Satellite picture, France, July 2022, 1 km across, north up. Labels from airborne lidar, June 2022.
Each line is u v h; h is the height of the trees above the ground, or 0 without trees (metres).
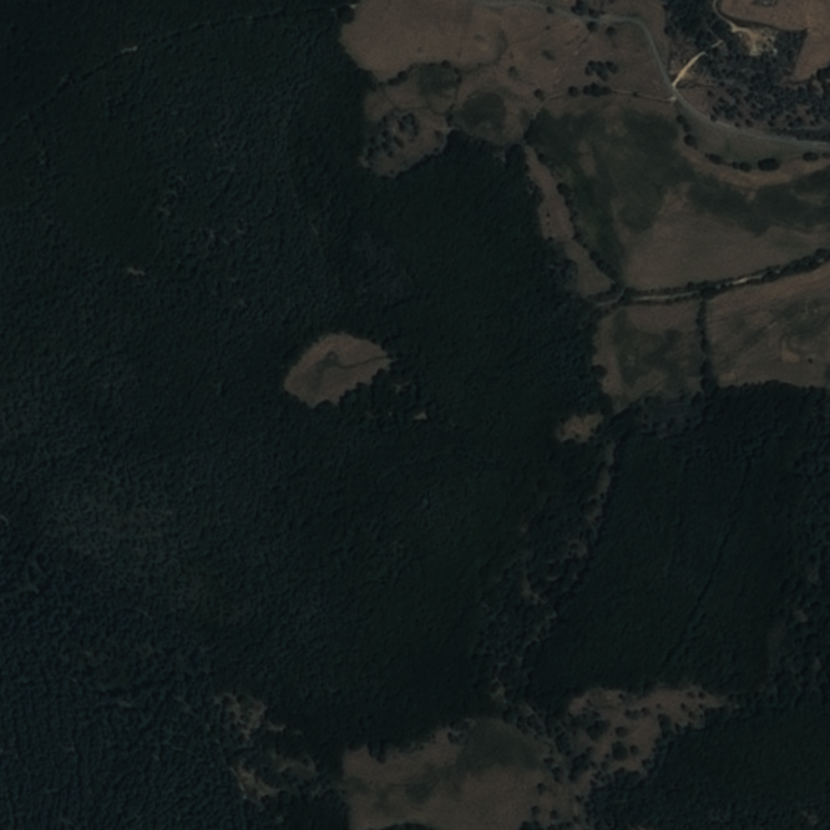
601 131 0
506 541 19
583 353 23
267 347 16
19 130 16
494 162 17
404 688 15
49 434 14
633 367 0
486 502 15
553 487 6
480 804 0
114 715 22
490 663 14
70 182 10
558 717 14
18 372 12
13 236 14
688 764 17
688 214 0
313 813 15
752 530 21
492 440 22
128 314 16
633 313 0
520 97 0
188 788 23
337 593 18
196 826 19
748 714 16
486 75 0
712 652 16
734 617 21
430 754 0
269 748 11
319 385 0
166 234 14
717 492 12
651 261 0
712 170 0
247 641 15
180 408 18
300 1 18
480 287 16
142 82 15
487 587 13
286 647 11
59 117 16
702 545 12
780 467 25
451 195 16
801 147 0
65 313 14
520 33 0
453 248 13
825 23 0
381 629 15
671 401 0
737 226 0
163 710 18
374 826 0
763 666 17
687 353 0
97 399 14
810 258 7
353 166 18
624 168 0
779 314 0
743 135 0
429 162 17
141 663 11
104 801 19
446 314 17
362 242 11
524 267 15
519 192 15
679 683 11
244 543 18
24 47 21
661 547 18
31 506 18
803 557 7
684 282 0
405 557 13
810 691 19
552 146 0
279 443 16
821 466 15
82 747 17
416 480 15
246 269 12
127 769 20
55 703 20
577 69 0
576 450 21
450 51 0
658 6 0
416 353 14
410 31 0
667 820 18
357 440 15
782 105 13
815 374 0
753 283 6
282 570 12
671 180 0
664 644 11
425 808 0
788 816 15
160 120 13
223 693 12
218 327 13
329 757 12
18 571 17
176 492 14
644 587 17
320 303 18
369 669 18
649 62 0
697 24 10
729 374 0
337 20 15
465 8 0
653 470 19
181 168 16
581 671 10
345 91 16
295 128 8
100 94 15
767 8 0
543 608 9
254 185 13
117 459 16
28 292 7
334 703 13
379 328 13
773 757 16
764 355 0
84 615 10
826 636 17
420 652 14
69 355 12
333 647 16
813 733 16
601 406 12
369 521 19
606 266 19
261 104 14
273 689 18
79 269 10
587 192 0
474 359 14
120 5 15
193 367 14
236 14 13
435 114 0
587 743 0
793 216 0
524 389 17
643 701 0
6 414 10
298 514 17
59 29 18
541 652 11
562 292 6
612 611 14
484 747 0
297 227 17
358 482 17
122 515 7
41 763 17
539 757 0
